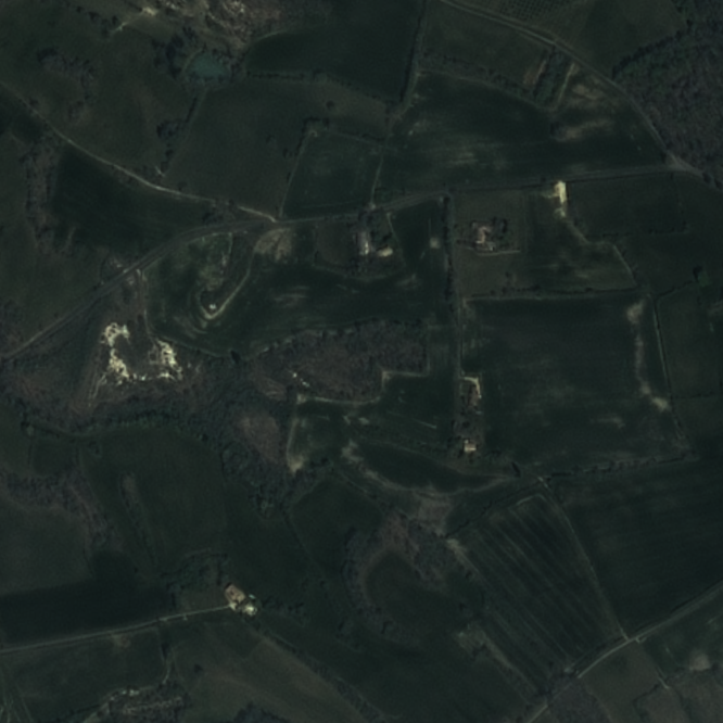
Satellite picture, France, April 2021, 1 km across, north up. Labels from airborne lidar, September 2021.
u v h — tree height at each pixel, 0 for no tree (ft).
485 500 0
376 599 0
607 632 0
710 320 0
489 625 0
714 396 32
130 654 0
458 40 0
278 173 0
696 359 0
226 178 0
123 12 0
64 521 0
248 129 0
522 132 0
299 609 38
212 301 23
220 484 0
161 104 0
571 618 0
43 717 0
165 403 44
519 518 0
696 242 0
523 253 0
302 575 0
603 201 0
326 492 0
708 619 0
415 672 0
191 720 0
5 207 0
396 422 0
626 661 0
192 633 0
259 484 44
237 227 0
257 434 0
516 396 0
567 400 0
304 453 0
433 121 0
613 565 0
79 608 0
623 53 0
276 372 21
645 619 0
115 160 0
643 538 0
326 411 0
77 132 0
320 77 39
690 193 0
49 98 0
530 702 26
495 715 0
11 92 0
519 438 0
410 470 0
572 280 0
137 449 0
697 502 0
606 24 0
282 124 0
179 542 0
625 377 0
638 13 0
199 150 0
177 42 0
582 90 0
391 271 22
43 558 0
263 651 0
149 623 0
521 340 0
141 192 0
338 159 0
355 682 0
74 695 0
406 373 40
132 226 0
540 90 43
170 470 0
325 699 0
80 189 0
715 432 0
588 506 0
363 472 0
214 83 36
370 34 0
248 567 0
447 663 0
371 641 0
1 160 0
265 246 0
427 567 40
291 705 0
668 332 0
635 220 0
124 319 0
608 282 0
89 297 0
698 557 0
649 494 0
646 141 0
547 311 0
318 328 0
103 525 54
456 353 0
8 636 0
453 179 0
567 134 40
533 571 0
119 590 0
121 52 0
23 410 52
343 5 0
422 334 34
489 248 23
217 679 0
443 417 0
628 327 0
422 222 0
